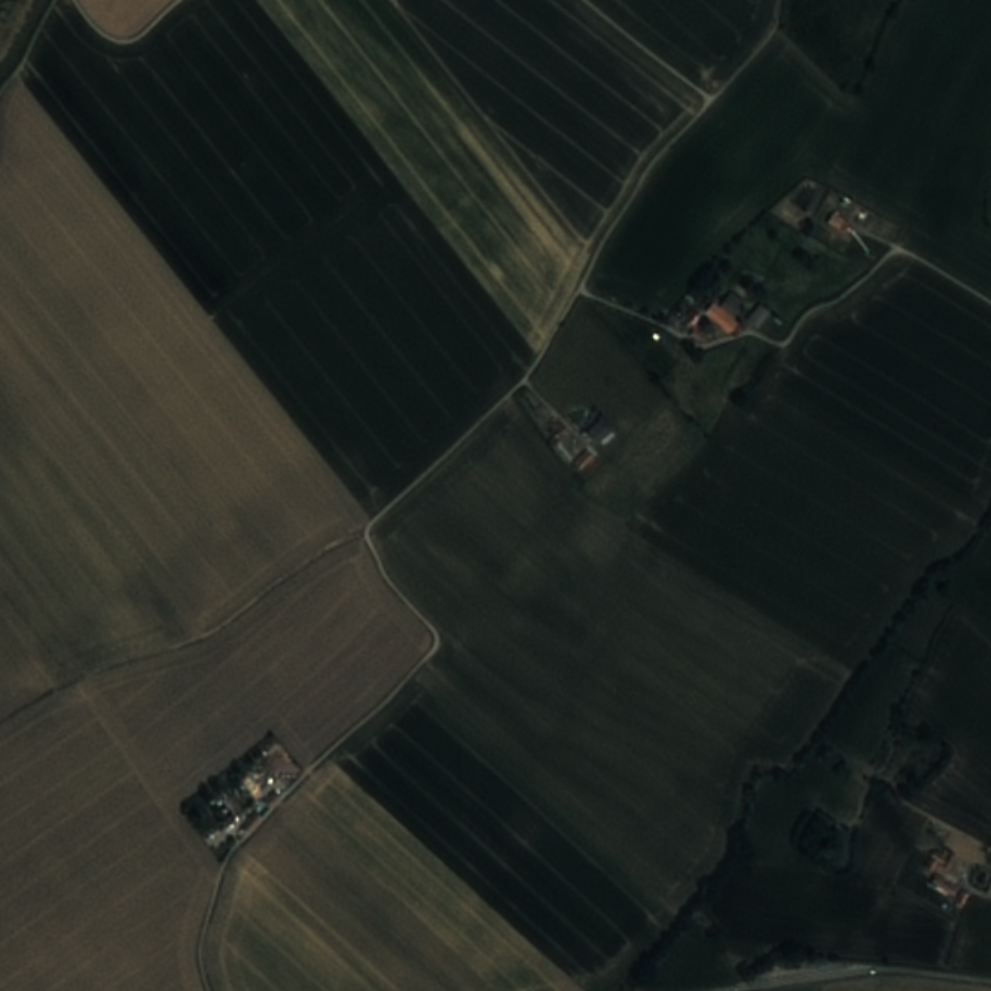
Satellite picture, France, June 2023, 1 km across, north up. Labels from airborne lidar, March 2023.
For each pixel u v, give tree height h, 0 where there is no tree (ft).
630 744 0
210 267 0
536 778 0
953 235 0
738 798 0
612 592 0
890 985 0
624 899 0
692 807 0
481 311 0
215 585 0
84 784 0
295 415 0
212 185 0
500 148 0
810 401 0
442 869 0
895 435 0
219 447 0
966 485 0
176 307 0
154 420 0
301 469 0
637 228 0
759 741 0
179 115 0
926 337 0
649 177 0
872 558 0
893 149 0
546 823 0
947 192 0
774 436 0
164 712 0
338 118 0
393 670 0
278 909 0
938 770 33
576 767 0
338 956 0
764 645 0
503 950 0
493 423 0
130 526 0
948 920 0
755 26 0
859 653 0
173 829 0
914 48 0
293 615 0
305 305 0
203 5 0
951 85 0
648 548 0
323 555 0
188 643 0
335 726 0
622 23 0
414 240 0
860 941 0
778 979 0
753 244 0
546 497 0
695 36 0
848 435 0
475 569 0
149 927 0
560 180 0
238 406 0
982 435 0
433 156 0
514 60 0
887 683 0
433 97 0
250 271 0
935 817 0
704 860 0
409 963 0
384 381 0
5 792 0
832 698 0
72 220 0
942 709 0
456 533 0
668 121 0
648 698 0
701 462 0
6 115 0
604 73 0
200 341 0
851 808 0
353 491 0
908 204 0
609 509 0
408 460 0
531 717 0
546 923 0
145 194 0
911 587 0
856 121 0
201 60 0
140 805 0
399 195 0
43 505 0
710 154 0
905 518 0
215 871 0
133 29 0
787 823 0
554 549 0
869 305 0
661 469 0
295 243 0
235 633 0
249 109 0
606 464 0
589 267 0
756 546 0
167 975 0
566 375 0
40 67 0
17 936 0
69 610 0
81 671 0
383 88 0
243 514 0
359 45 0
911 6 0
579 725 0
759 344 0
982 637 0
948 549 0
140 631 0
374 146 0
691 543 0
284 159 0
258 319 0
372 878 0
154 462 0
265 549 0
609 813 0
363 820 0
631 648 0
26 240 0
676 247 0
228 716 0
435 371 0
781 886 0
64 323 0
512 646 0
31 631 0
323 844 0
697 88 0
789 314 0
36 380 0
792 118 0
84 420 0
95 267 0
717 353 0
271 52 0
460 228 0
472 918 0
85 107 0
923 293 0
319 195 0
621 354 0
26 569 0
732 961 0
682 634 0
